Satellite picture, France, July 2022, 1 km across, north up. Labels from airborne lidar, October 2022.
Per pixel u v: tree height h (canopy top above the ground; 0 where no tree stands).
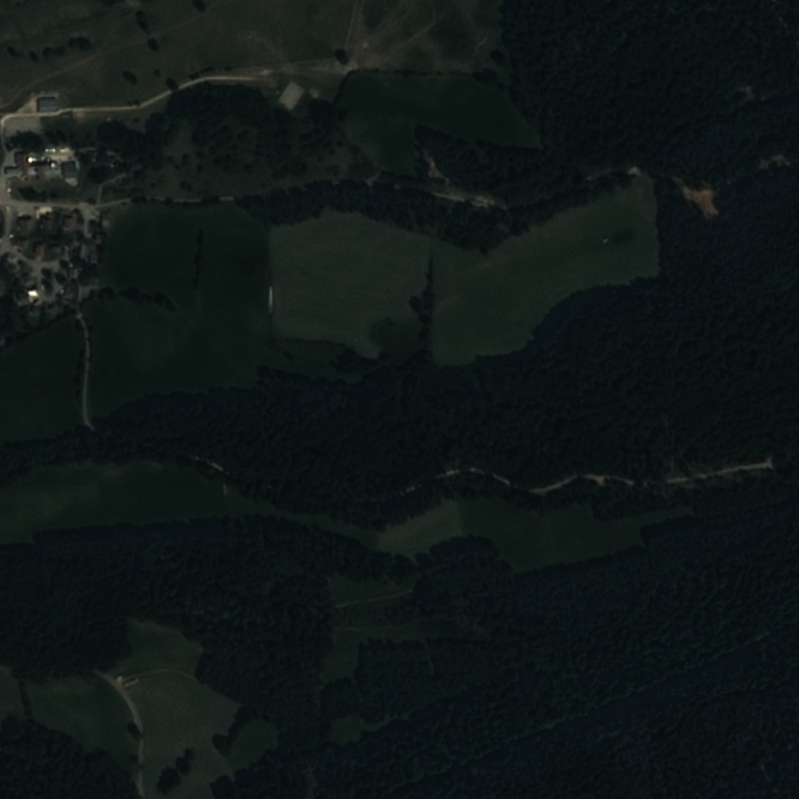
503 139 0
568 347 31
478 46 0
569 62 16
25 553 25
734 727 25
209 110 17
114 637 24
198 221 0
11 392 0
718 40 15
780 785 28
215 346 0
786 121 11
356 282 0
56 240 6
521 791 33
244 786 26
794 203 18
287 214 26
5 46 0
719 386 22
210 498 0
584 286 0
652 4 15
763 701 29
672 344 28
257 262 0
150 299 11
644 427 20
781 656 11
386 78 0
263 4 0
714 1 26
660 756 27
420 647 23
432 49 0
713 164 29
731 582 29
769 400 9
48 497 0
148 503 0
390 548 0
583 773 27
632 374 23
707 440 8
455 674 20
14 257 0
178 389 0
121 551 25
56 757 28
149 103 0
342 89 6
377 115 0
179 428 18
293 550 31
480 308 0
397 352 0
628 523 0
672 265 20
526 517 0
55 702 0
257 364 0
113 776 21
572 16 12
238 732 9
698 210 27
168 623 16
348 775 26
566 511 0
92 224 9
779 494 15
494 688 25
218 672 19
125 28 0
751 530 21
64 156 0
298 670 24
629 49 16
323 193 25
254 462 21
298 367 0
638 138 13
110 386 0
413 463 11
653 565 23
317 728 15
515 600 30
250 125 6
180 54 0
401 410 22
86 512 0
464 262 0
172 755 0
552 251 0
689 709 22
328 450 26
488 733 26
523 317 0
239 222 0
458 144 15
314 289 0
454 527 0
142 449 25
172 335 0
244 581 26
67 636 31
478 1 0
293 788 31
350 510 31
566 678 10
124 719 0
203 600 28
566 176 13
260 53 0
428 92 0
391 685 29
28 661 23
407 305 0
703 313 23
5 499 0
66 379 0
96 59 0
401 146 0
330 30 0
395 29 0
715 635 29
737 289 19
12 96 0
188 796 0
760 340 22
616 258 0
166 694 0
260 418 22
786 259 11
